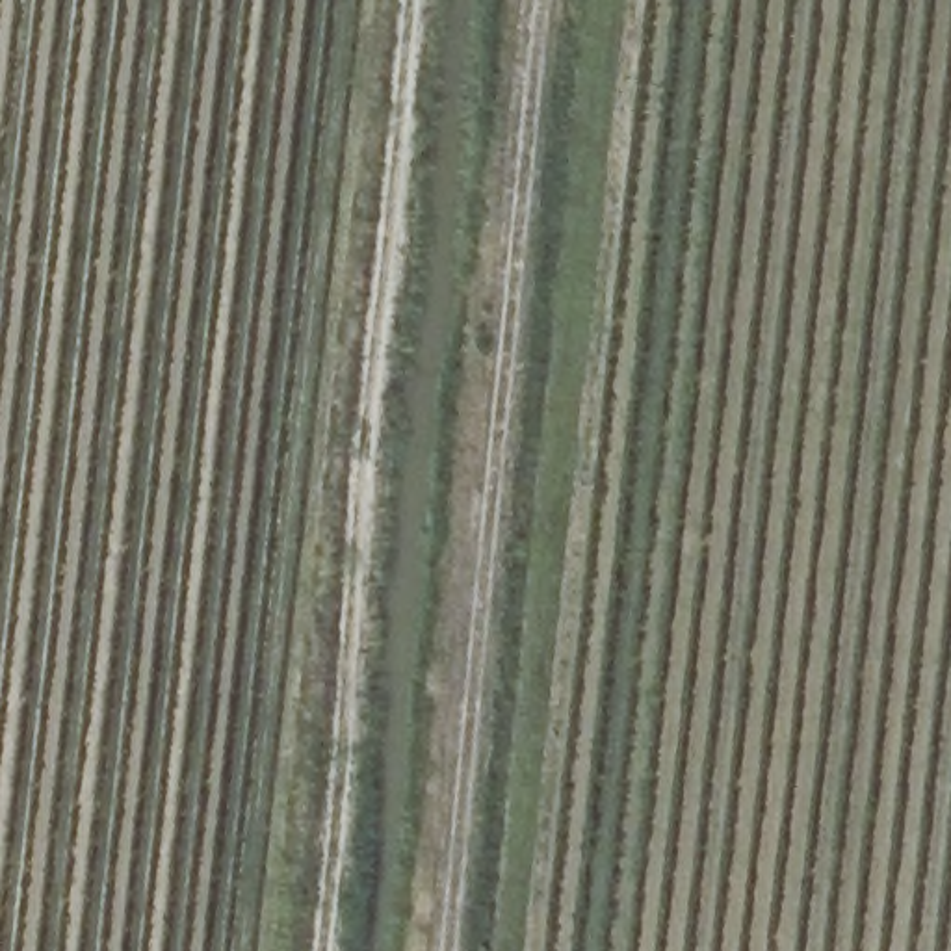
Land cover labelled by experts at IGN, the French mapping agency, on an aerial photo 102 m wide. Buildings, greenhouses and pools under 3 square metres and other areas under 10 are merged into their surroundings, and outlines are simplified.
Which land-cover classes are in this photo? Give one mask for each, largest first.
<instances>
[{"label":"vineyard","instance_id":"1","mask_svg":"<svg viewBox=\"0 0 951 951\"><path fill-rule=\"evenodd\" d=\"M397 48V0H0V951H338L342 880L349 869V832L357 802V762H331V736L360 743V698L364 672L379 661V624L368 617V598L383 587L386 576L390 490L394 464L401 453L397 397L405 394L412 334L420 319V256L427 223L420 186L427 178V163L412 152L405 204L409 238L390 331V379L383 390L379 468L364 461L368 416L357 412L386 130L394 104L390 71ZM446 0H427L416 74V123L427 130L435 123V63ZM524 368L509 502L502 520V576L494 587V691L483 710L490 750L487 773L476 788L464 951H951V0H561V19L550 26L546 59L539 189L528 260V319L520 353ZM442 906H431L427 873L416 869L405 951H435Z\"/></svg>","mask_w":951,"mask_h":951},{"label":"pervious surface","instance_id":"2","mask_svg":"<svg viewBox=\"0 0 951 951\"><path fill-rule=\"evenodd\" d=\"M427 0H397V48L390 71L394 104L386 130L357 412L368 416L364 461L379 468L383 390L390 379V331L409 238L405 204L412 152L416 123V74ZM509 22H516V74L509 93V115L498 119V141L490 149L483 182L487 219L479 238V271L468 282V293L461 297L468 301L464 323L479 331L483 357L479 364L464 368V390L457 401V457L449 498L453 516L449 546L442 557L446 583L435 632V661L427 672V695L435 702L431 773L423 795V836L416 851V869L427 873L431 906H442L435 951H464L476 788L487 773L490 750L483 710L494 691V587L502 576V520L509 502L524 368L520 353L528 319V260L539 189L546 59L550 26L561 19V0H505Z\"/></svg>","mask_w":951,"mask_h":951},{"label":"deciduous trees","instance_id":"3","mask_svg":"<svg viewBox=\"0 0 951 951\"><path fill-rule=\"evenodd\" d=\"M516 74V22H509L505 0H472L457 104L461 186L453 219V301L446 345L431 386V446L423 472L420 572L405 687L401 814L390 866L394 895L383 925V951H405L416 869V851L423 836V795L431 773L435 702L427 695V672L435 661V632L446 583L442 557L449 546L453 516L449 498L457 457V401L464 390V368L479 364L483 357L479 331L464 323L468 301L461 297L468 293V282L479 271V238L487 219L483 182L490 149L498 141V119L509 115V93ZM379 706L360 698V743L331 736V762H357V802L349 832V869L342 880L338 951H360L371 869V743Z\"/></svg>","mask_w":951,"mask_h":951},{"label":"water","instance_id":"4","mask_svg":"<svg viewBox=\"0 0 951 951\"><path fill-rule=\"evenodd\" d=\"M472 0H446L435 63V123L427 130L416 123L412 152L427 163V178L420 186L427 223L420 256V319L412 334L405 394L397 397L401 453L394 464L390 490L386 576L383 587L368 598V617L379 624V661L364 672L360 698L379 706L371 743V869L360 951H383V925L394 895L390 866L401 814L405 687L420 572L423 472L431 446V386L446 345L453 301V219L461 186L457 104Z\"/></svg>","mask_w":951,"mask_h":951}]
</instances>
